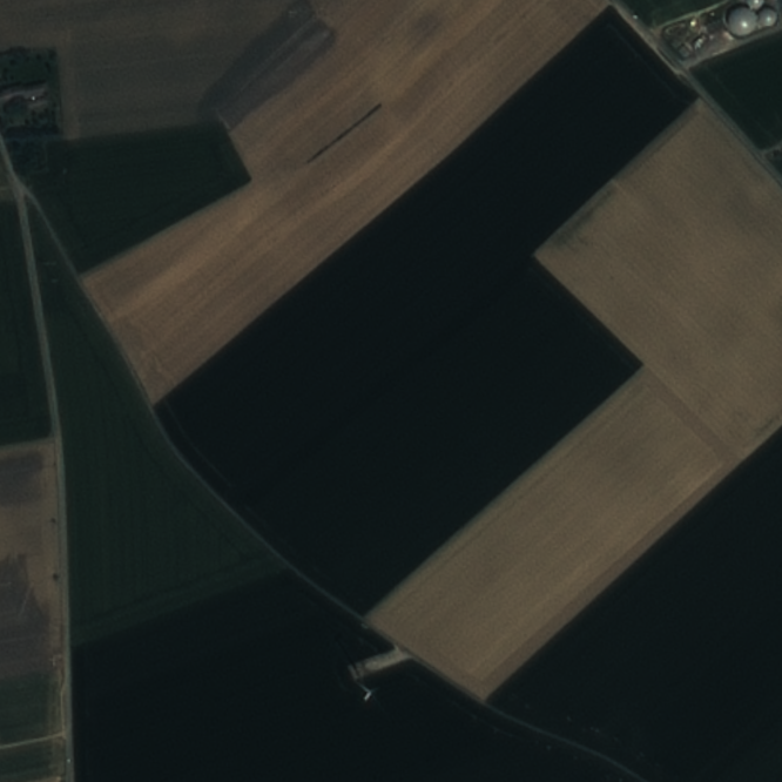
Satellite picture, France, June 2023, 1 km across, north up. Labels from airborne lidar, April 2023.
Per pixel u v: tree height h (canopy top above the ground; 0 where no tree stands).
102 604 0
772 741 0
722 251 0
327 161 0
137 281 0
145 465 0
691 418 0
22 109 10
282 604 0
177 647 0
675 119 0
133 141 0
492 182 0
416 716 0
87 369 0
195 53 0
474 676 0
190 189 0
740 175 0
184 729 0
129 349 0
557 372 0
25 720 0
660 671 0
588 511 0
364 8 0
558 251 0
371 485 0
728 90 0
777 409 0
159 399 0
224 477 0
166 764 0
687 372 0
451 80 0
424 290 0
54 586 0
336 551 0
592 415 0
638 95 0
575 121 0
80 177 0
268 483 0
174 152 0
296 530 0
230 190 0
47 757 0
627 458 0
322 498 0
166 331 0
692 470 0
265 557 0
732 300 0
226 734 0
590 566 0
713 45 0
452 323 0
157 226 0
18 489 0
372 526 0
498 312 0
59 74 0
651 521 0
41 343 0
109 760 0
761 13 0
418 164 0
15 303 0
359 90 0
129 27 0
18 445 0
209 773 0
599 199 0
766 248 0
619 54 0
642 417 0
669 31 0
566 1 0
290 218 0
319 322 0
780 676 0
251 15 0
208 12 0
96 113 0
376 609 0
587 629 0
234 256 0
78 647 0
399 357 0
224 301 0
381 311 0
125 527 0
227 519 0
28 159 10
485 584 0
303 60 0
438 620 0
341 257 0
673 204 0
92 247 0
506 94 0
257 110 0
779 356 0
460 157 0
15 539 0
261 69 0
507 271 0
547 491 0
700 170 0
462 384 0
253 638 0
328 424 0
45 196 0
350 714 0
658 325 0
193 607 0
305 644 0
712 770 0
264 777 0
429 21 0
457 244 0
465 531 0
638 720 0
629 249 0
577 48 0
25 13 0
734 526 0
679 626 0
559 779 0
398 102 0
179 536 0
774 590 0
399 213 0
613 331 0
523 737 0
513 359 0
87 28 0
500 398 0
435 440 0
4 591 0
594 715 0
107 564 0
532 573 0
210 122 0
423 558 0
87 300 0
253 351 0
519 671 0
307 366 0
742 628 0
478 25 0
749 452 0
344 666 0
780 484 0
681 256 0
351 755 0
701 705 0
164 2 0
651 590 0
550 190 0
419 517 0
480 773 0
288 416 0
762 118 0
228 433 0
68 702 0
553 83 0
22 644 0
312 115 0
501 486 0
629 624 0
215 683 0
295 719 0
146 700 0
